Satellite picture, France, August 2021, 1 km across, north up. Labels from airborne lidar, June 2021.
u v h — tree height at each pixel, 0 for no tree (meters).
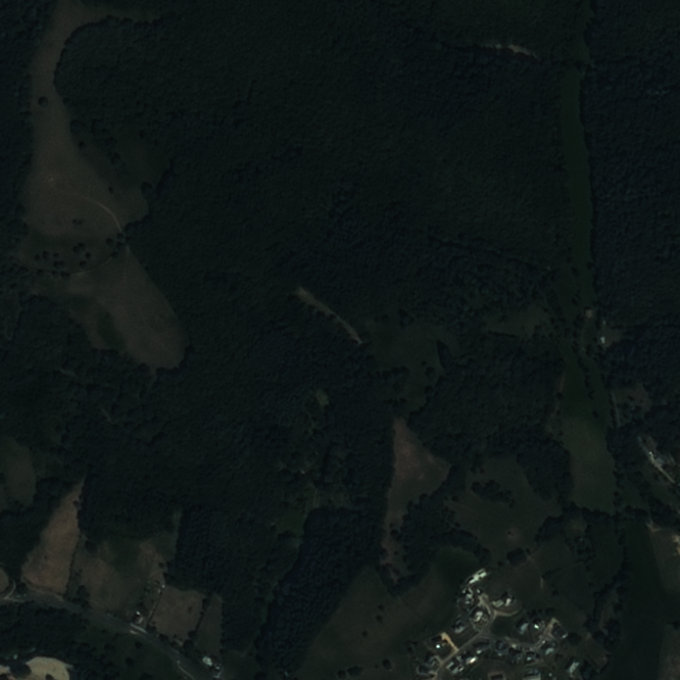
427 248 21
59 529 0
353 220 30
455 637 0
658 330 23
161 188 14
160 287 15
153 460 19
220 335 17
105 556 0
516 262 19
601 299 16
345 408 22
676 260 18
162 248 19
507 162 28
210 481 25
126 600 0
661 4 11
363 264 23
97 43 15
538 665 0
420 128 15
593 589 6
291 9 21
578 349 12
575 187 0
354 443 19
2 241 14
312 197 23
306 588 33
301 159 27
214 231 17
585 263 0
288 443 25
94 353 14
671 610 0
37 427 14
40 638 28
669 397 18
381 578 12
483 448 14
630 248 22
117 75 19
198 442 20
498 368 15
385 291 22
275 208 22
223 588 22
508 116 24
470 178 25
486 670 0
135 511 16
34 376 21
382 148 16
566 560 0
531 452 16
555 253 19
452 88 21
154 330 0
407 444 0
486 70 29
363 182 21
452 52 28
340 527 23
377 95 24
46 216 0
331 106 23
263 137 24
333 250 20
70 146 0
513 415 27
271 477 19
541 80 23
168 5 23
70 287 0
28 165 13
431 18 20
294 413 32
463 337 8
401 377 17
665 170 28
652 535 0
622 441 20
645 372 19
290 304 17
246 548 16
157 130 24
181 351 0
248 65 27
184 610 0
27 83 12
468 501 0
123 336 0
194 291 23
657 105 17
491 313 18
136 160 0
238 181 22
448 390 18
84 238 0
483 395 20
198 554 30
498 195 19
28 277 12
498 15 16
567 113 0
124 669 0
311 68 23
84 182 0
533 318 0
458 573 0
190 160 26
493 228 22
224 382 25
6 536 16
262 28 21
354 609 0
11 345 13
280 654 28
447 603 0
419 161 24
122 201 0
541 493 21
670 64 30
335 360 20
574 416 0
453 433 15
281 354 23
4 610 12
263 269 17
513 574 0
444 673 0
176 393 18
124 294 0
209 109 25
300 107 27
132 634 0
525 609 6
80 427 13
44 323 16
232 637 13
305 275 25
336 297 23
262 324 25
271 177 21
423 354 0
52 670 0
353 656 0
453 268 18
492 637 0
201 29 27
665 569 0
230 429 26
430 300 11
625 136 23
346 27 21
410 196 21
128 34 17
